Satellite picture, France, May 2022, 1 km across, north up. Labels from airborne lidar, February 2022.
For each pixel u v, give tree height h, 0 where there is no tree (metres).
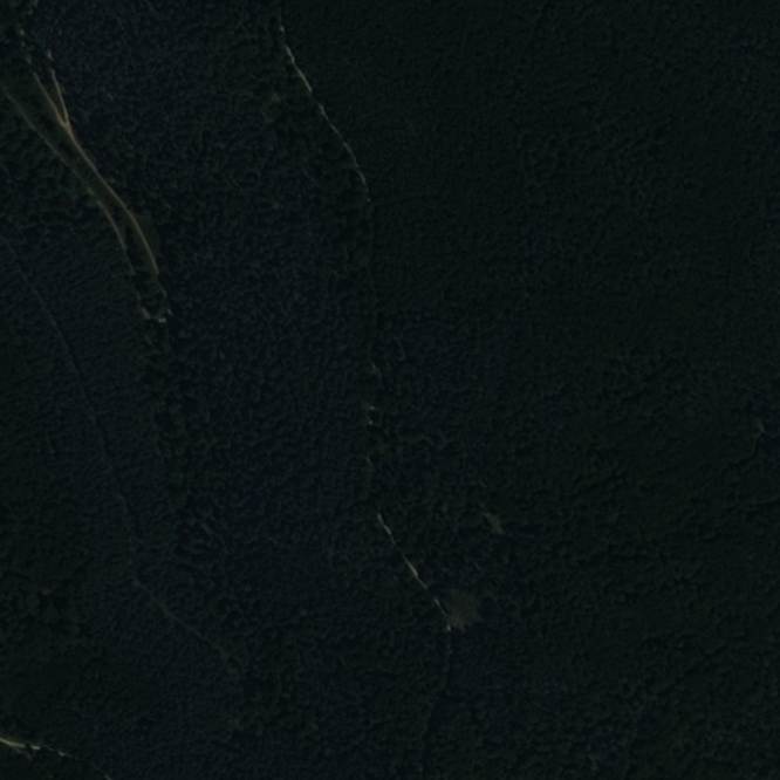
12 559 19
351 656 34
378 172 23
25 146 38
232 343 35
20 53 32
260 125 26
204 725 30
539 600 24
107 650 16
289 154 21
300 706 31
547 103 23
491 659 26
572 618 23
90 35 35
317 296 31
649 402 23
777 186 25
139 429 24
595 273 25
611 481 12
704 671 29
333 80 20
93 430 29
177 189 34
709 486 23
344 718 27
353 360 31
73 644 9
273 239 29
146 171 33
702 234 21
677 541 18
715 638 26
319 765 25
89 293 26
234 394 33
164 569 25
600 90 25
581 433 16
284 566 22
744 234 22
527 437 22
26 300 28
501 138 21
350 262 26
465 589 27
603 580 21
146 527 31
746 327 26
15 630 41
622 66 25
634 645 27
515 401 21
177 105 29
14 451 18
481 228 18
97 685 21
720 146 22
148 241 0
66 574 15
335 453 27
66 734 24
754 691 28
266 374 35
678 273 21
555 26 22
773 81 24
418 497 30
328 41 21
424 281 16
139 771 32
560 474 20
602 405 18
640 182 29
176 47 29
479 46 20
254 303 28
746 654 30
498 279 19
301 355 29
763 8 25
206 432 35
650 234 29
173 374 40
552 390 15
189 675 27
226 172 33
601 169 24
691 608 25
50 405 27
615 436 20
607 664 29
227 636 24
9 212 27
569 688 22
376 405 27
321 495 21
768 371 27
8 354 17
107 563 31
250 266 40
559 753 24
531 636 25
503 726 22
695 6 24
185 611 26
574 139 19
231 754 25
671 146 23
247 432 33
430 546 16
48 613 32
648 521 21
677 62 25
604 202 24
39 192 37
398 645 29
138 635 25
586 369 25
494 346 20
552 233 24
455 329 30
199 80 25
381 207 20
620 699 22
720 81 26
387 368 21
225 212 32
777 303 26
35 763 34
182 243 39
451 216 22
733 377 25
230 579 27
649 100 28
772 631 26
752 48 27
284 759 22
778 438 23
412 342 28
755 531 23
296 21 21
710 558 24
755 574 25
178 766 29
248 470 10
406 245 21
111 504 27
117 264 26
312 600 26
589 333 20
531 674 17
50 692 14
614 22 21
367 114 17
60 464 25
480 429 19
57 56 37
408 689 23
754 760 31
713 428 25
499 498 21
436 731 27
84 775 13
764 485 27
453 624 0
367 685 27
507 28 20
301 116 31
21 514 13
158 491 28
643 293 20
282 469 32
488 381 22
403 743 29
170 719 29
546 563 23
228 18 27
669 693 29
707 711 27
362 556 21
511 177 20
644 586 20
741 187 24
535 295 21
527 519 22
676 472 23
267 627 18
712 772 33
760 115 25
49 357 27
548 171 19
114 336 26
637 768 27
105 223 15
